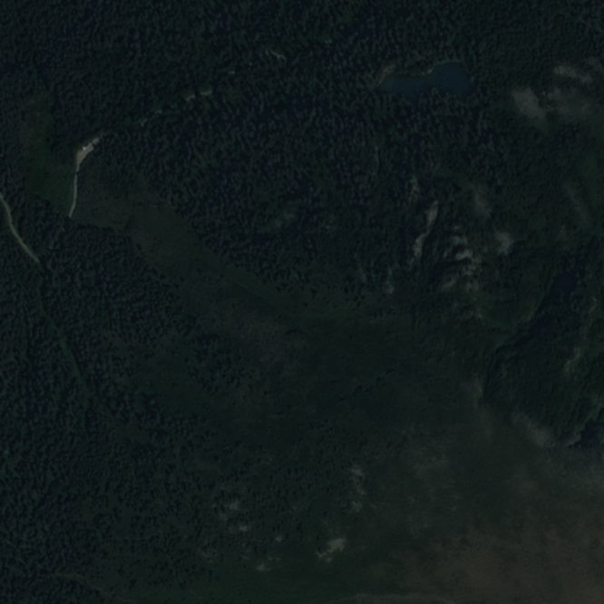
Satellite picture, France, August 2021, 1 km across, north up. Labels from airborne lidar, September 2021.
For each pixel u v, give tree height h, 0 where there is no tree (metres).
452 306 9
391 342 0
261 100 24
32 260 19
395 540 0
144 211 0
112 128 7
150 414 8
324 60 10
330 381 0
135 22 8
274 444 0
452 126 7
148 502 10
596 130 0
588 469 0
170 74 12
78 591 15
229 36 16
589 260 6
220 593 0
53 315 15
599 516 0
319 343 0
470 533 0
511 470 0
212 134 11
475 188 0
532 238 7
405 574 0
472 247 11
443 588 0
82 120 10
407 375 0
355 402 0
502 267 8
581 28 13
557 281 0
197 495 7
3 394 25
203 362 11
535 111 0
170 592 0
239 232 6
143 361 0
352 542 0
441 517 0
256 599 0
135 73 11
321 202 25
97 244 21
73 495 7
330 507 0
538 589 0
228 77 17
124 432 0
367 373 0
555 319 13
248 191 21
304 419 0
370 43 21
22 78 18
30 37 20
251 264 19
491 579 0
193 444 10
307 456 0
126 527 0
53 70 17
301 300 0
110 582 0
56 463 13
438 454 0
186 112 9
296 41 8
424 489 0
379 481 0
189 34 6
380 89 0
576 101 0
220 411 0
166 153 8
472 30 12
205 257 0
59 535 12
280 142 9
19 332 22
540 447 0
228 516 0
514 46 11
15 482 18
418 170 13
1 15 15
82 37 21
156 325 14
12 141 19
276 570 0
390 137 10
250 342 0
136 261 14
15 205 29
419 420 0
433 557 0
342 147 21
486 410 0
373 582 0
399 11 6
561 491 0
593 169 0
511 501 0
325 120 17
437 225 9
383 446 0
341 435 0
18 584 19
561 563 0
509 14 10
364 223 5
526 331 12
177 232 0
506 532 0
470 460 0
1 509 12
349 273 0
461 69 0
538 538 0
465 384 0
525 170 7
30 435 6
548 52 10
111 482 14
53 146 11
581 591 0
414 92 0
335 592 0
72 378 21
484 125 25
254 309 0
